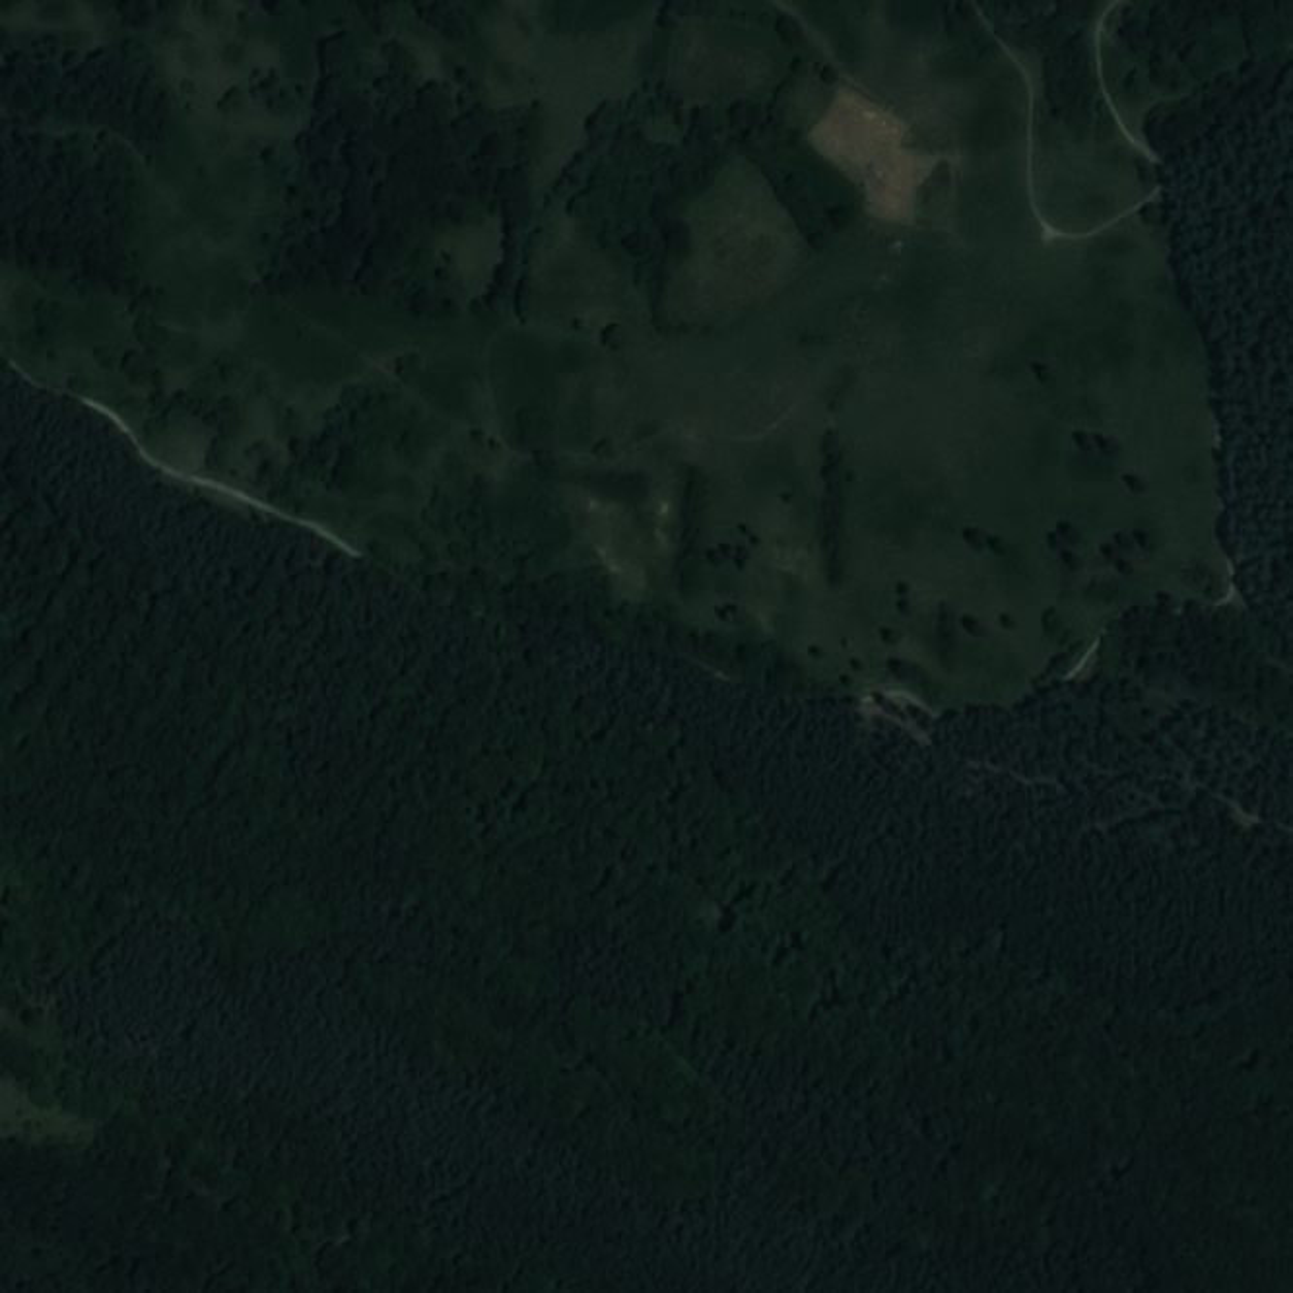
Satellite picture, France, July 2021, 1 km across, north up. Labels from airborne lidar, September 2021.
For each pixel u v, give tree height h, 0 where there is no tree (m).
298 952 21
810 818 26
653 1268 24
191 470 0
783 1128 23
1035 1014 35
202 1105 15
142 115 26
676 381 0
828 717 25
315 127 10
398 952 20
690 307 0
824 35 0
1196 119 16
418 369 7
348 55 27
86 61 11
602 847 28
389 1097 25
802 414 0
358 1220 17
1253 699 18
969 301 0
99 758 22
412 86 16
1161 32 20
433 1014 34
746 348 0
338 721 24
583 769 29
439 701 22
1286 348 25
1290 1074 34
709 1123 33
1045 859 22
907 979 30
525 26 0
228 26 0
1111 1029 28
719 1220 23
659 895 29
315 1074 26
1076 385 0
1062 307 0
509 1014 23
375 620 24
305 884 19
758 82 0
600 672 20
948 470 0
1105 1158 30
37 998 14
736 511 0
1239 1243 30
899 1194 27
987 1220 29
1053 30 13
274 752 12
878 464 0
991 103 0
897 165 0
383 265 30
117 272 18
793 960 28
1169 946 20
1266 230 23
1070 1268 19
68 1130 0
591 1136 29
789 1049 29
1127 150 0
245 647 19
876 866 24
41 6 0
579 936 23
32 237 22
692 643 12
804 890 31
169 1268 23
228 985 22
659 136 0
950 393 0
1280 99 25
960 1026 32
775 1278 26
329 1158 18
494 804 28
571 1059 25
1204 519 0
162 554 23
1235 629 17
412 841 23
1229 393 33
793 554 0
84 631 25
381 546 12
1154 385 0
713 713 24
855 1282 24
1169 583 0
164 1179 25
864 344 0
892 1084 31
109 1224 25
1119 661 6
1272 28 10
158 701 21
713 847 32
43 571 28
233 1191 21
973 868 25
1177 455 0
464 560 8
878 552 0
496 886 26
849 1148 26
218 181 0
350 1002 22
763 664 10
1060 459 0
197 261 0
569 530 0
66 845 26
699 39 0
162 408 10
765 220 0
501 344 0
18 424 27
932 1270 21
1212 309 27
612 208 10
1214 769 23
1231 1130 35
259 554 22
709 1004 30
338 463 10
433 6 12
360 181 28
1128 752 17
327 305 0
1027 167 0
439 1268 22
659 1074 30
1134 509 0
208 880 22
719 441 0
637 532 0
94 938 26
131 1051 11
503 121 9
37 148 16
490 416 0
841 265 0
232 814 23
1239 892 19
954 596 0
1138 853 26
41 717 22
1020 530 0
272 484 7
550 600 21
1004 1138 28
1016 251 0
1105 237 0
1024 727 27
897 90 0
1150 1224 28
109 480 26
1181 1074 38
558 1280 21
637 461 0
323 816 22
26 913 30
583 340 0
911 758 30
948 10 8
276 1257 24
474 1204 19
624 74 0
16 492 25
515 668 19
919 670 12
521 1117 26
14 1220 19
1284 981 26
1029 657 0
